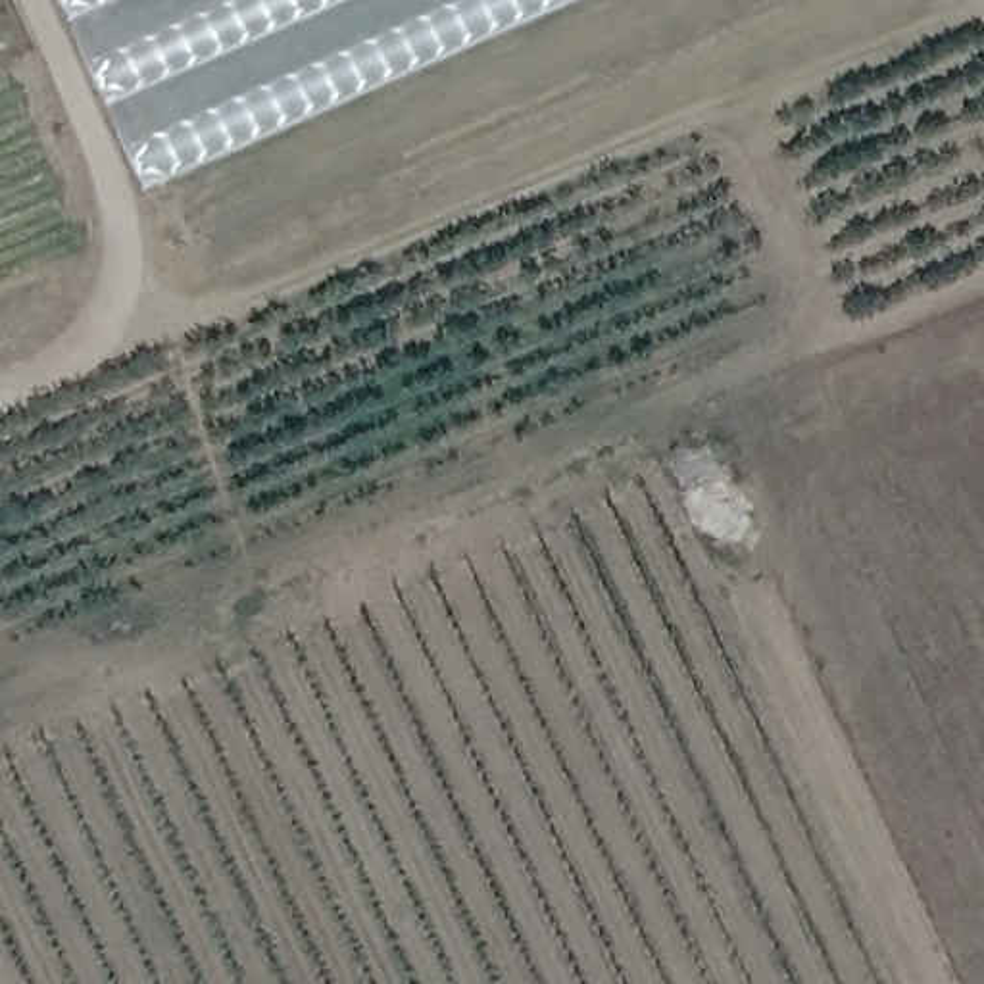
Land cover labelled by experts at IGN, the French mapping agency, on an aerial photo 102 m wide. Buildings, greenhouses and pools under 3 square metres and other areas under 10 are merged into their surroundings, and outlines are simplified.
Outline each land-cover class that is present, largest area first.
<instances>
[{"label":"agricultural land","instance_id":"1","mask_svg":"<svg viewBox=\"0 0 984 984\"><path fill-rule=\"evenodd\" d=\"M969 19H984V0H573L569 8H554L542 19H530L515 31H500L488 42H473L469 50L450 54L438 65H423L411 77L388 81L384 88H369L357 100H346L331 111L265 135L246 150H234L173 181H161L135 200L142 227V261L146 269H154L158 284L181 296H211L223 288H242L277 277L354 238L400 227L450 196H465L492 185L504 169H542L557 158L615 138L619 131L688 108L696 100L719 96V123L742 119L757 108L776 111L796 96H811L830 85L834 77L857 65H880L903 54L926 35H938ZM88 227L65 219V181L38 142V127L27 108V88L19 81L0 85V277H12L31 261L85 254ZM653 392L661 396V404L673 407V419L669 442L653 450H642L627 434H592L565 442L561 454H538V446L527 438L530 419H515L511 407L496 415L477 419L461 431H446L438 438L446 454L427 457L423 469H400L396 492L373 496L350 507L342 519H323L319 534L308 538L311 561L288 557L277 573H269L265 592L242 596L234 603V615L254 619L250 650H238L234 634L196 630L177 650L154 657L138 638L92 646L65 623H58L50 630L31 634L27 642H12L8 623L0 619V984H984V261L946 284L919 288L869 315H846V304L811 338L788 323L773 342L742 346L738 354L715 361L703 373L657 377Z\"/></svg>","mask_w":984,"mask_h":984},{"label":"herbaceous vegetation","instance_id":"2","mask_svg":"<svg viewBox=\"0 0 984 984\"><path fill-rule=\"evenodd\" d=\"M19 81L27 88V108L38 127V142L65 181V219L88 227L85 254L31 261L12 277H0V373L19 361H31L77 323V315L96 296L104 265L100 204L85 150L77 142V131L69 127L50 62L38 50L15 0H0V85ZM984 54V35H972L957 50L876 85H853L849 92H834L830 85L811 96H796L776 111L757 108L742 119L719 123L688 131L634 158L600 161L588 173L561 181L546 192V208L511 215L500 227L461 234L427 258H407L404 250L377 261L373 277L342 284L327 296L308 292L269 300L234 323H211L181 338L158 342L165 365L111 388H92L88 407H100L108 400L146 407L150 384L158 381H173L188 411L200 404L242 400V415L208 419L211 438L227 446L231 477L265 465L281 454L323 442L342 427L365 423L392 407L396 423L357 434L354 442L334 446L327 454L331 461H342L373 454L384 442H400L404 454L373 461L334 480H319L311 492L296 500L273 504L265 511L246 507L238 519L219 523L231 546L227 561L185 569L188 546L173 542L161 554L138 557L135 565H115L111 580H142V588L127 600L158 607V623L138 638L154 657L177 650L196 630L234 634L238 650H250L254 619L234 615V603L242 596L265 592L269 573H277L288 557L311 561L308 538L319 534L323 519H342L350 507L373 496L396 492L400 469H423L427 457L446 454L438 438L446 431H461L477 419L496 415L492 400L507 388H523L550 369L580 365L611 346L630 342L623 327H615V315L638 311L692 284H703V300H688L669 311H657L653 319L630 323L634 334L673 327L688 315L734 304L753 292H769L765 308L734 311L634 361L565 381L554 392L519 400L511 407L515 419H530L527 438L538 446V454H561L565 442L592 434H627L642 450H653L669 442L673 419V407L661 404V396L653 392L657 377L703 373L715 361L738 354L742 346L773 342L788 323L811 338L846 304V292L857 284H892L919 265L942 261L984 238V188L946 208H934L926 196L969 173H984V77L930 100H915L911 108L888 111L880 119L838 123L830 135H823L815 146L800 154H784L780 142L796 131H811L823 115L838 108L876 104L888 92L949 73ZM892 127H907V142L880 146L873 158H857L849 169L823 173L815 185H803V173L826 150L853 138L884 135ZM949 142L957 146L953 161L915 173L903 185L880 188L869 200H849L823 223L811 219L815 196L846 188L853 177L884 169L892 158L938 150ZM730 196L742 204V215L734 223H723L711 234H700L673 250L646 254L611 273H596L592 284H569L538 300V284L557 281L569 265L584 269L638 242L673 234L680 223H700L711 211H723ZM892 204H915V215L884 231H873L849 246H830V238L853 215H873ZM573 208L584 211V223L569 227L565 234L519 246L504 265L488 273L469 269L446 281L438 277L442 261H457L469 250L504 242ZM957 219H969V231L957 238L919 246L911 258H899L880 269H853L842 281L830 277L834 261H861L907 238L919 227H946ZM650 269H657L653 288L607 300L603 308H592L554 331L538 327L542 315H554L557 308L611 281H630ZM415 273L423 277L419 292H404L392 304L365 308L342 323L319 327V334H281L284 323L311 319L319 311H331L346 300L407 281ZM588 327H600L596 342H584L569 354L511 373L507 361L542 346H557ZM480 373H492V384L446 400L438 407L415 411L419 396L454 388ZM361 384H377V400L346 407L342 415L308 427L292 438L246 454L231 450L234 438L261 434L284 423L288 415L323 407Z\"/></svg>","mask_w":984,"mask_h":984},{"label":"deciduous trees","instance_id":"3","mask_svg":"<svg viewBox=\"0 0 984 984\"><path fill-rule=\"evenodd\" d=\"M972 35H984V19H969L938 35H926L903 54L880 65H857L834 77L830 85L834 92H849L853 85H876L957 50ZM984 77V54L949 73L888 92L876 104L838 108L823 115L811 131H796L780 142L784 154H800L815 146L823 135H830L838 123L880 119L888 111L911 108L915 100H930ZM907 142V127H892L884 135L853 138L826 150L803 173V185H815L823 173L849 169L857 158H873L880 146ZM957 146L949 142L938 150L892 158L884 169L853 177L846 188L815 196L811 219L823 223L849 200H869L880 188L903 185L915 173L953 161ZM984 188V173H969L926 196L934 208H946ZM546 192L507 200L492 211L446 223L431 238L411 242L404 250L407 258H427L461 234L500 227L511 215L546 208ZM742 215V204L730 196L723 211H711L700 223H680L673 234L638 242L584 269L569 265L557 281L538 284V300L569 284H592L596 273H611L646 254L673 250L700 234H711L723 223H734ZM915 215V204H892L873 215H853L830 238V246H849L873 231H884ZM584 223V211L573 208L504 242L469 250L457 261H442L438 277L446 281L469 269L488 273L504 265L519 246L565 234L569 227ZM969 231V219H957L946 227H919L907 238L861 261H834L830 277L842 281L853 269H880L899 258H911L919 246L957 238ZM984 261V238L942 261L919 265L892 284H857L846 292V315H869L919 288L946 284ZM377 261L338 269L308 292L327 296L342 284L373 277ZM657 269H650L630 281H611L557 308L554 315H542L538 327L554 331L592 308H603L607 300L653 288ZM423 277L415 273L407 281L346 300L331 311H319L311 319L284 323L281 334H319V327L342 323L365 308L392 304L404 292H419ZM703 284H692L638 311L615 315V327H623L630 342L611 346L580 365L550 369L523 388H507L492 400L496 415L511 407L519 400L554 392L565 381L634 361L734 311L765 308L769 292H753L734 304L688 315L673 327L634 334L630 323L653 319L657 311H669L688 300H703ZM600 327H588L557 346H542L507 361L511 373L569 354L584 342H596ZM165 365L158 342L135 346L131 354L100 361L85 377L62 381L46 392L27 396L23 404L0 407V619L8 623L12 642H27L31 634L50 630L58 623H65L92 646L138 638L158 623V607L127 600L142 588V580H111L115 565H135L138 557L161 554L173 542L188 546L185 569L227 561L231 546L219 523L238 519L246 507L265 511L273 504L296 500L311 492L319 480H334L373 461L404 454L400 442H384L373 454L342 461H331L327 454L334 446L354 442L357 434L396 423L392 407L365 423L342 427L323 442L281 454L265 465L231 477L227 446L211 438L208 419L242 415V400L200 404L188 411L173 381H158L150 384L146 407L108 400L100 407H88L92 388H111ZM492 384V373H480L454 388L419 396L415 411L438 407L446 400ZM377 384H361L323 407L288 415L284 423L261 434L234 438L231 450L246 454L292 438L308 427L342 415L346 407L377 400Z\"/></svg>","mask_w":984,"mask_h":984},{"label":"greenhouse","instance_id":"4","mask_svg":"<svg viewBox=\"0 0 984 984\"><path fill-rule=\"evenodd\" d=\"M573 0H46L62 35L69 38L85 92L108 127L119 173L135 200L161 181H173L234 150H246L265 135L331 111L346 100H357L369 88H384L388 81L411 77L423 65H438L450 54L469 50L473 42H488L500 31H515L530 19H542L554 8H569Z\"/></svg>","mask_w":984,"mask_h":984},{"label":"pervious surface","instance_id":"5","mask_svg":"<svg viewBox=\"0 0 984 984\"><path fill-rule=\"evenodd\" d=\"M38 50L50 62L69 127L77 131V142L85 150L100 204L104 265L96 296L77 315V323L31 361H19L0 373V407L23 404L27 396L46 392L62 381L85 377L100 361L131 354L135 346L181 338L211 323H234L269 300L308 292L338 269L377 261L404 250L411 242L431 238L446 223L492 211L507 200L546 192L561 181L588 173L600 161L634 158L688 131L719 123V96L696 100L688 108L619 131L615 138L557 158L542 169H504L492 185L465 196H450L400 227L354 238L277 277L242 288H223L211 296H181L158 284L154 269H146L142 261V227L135 200L119 173L108 127L85 92L69 38L62 35L46 0H15Z\"/></svg>","mask_w":984,"mask_h":984}]
</instances>
